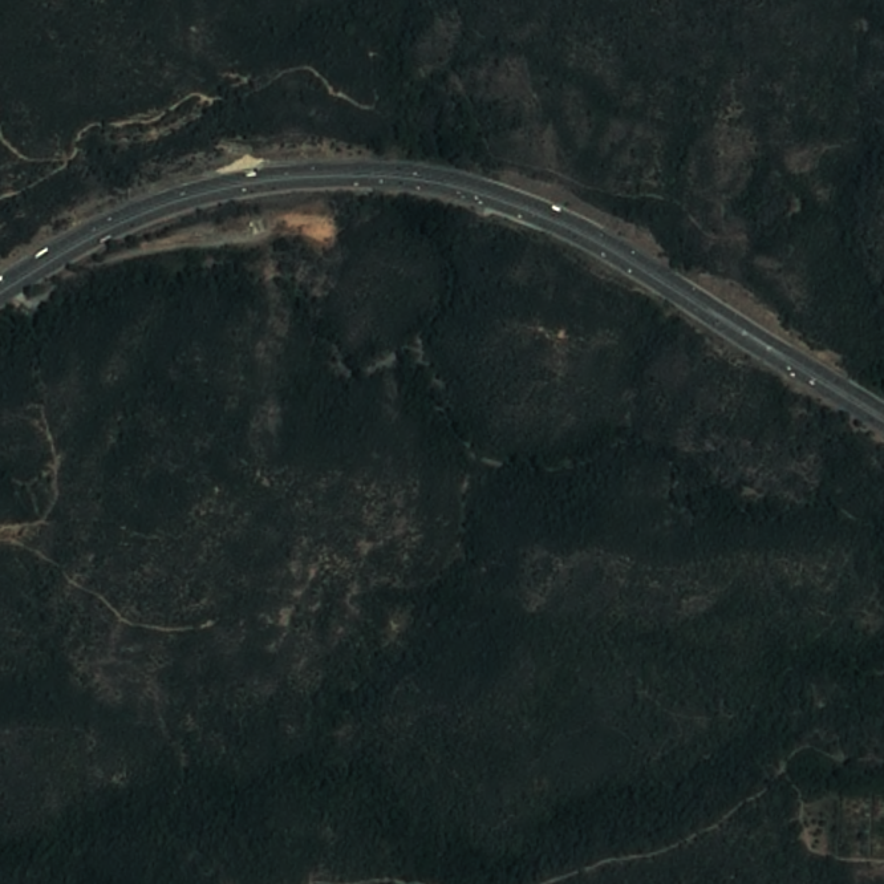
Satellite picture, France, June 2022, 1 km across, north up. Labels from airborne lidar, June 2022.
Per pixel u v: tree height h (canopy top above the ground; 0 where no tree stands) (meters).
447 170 0
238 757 6
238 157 0
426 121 8
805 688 7
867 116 8
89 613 7
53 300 12
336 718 9
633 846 10
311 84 7
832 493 8
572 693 9
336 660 7
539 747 7
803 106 7
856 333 6
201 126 15
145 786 6
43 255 0
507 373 6
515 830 8
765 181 8
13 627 7
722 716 9
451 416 19
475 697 7
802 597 6
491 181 0
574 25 10
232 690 8
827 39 9
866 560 8
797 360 0
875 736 7
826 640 7
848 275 7
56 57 8
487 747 6
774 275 0
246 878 8
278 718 6
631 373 8
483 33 6
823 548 6
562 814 9
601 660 6
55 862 9
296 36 11
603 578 7
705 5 9
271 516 8
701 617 8
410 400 11
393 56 11
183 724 11
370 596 7
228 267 7
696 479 5
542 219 0
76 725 8
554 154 0
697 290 0
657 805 10
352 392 9
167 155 9
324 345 10
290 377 6
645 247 0
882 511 6
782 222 8
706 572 6
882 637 7
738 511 22
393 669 6
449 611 6
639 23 6
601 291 6
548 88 9
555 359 0
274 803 6
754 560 7
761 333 0
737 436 10
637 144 0
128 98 10
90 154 11
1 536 0
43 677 9
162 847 11
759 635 8
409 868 12
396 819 15
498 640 7
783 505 7
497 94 0
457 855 12
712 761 11
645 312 8
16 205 9
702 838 7
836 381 0
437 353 6
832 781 19
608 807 8
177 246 0
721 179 0
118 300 9
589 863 6
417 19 8
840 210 7
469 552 9
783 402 10
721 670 7
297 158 0
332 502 6
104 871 5
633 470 6
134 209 0
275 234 0
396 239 8
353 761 7
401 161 0
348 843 5
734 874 6
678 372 0
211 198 0
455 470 8
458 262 9
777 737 9
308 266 6
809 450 12
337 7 6
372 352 8
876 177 8
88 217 0
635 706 9
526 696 6
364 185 0
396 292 7
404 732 9
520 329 0
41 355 7
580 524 7
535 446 7
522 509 6
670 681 9
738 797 8
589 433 6
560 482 9
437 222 17
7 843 6
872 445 7
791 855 8
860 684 13
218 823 10
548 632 6
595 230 0
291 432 7
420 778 9
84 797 11
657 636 8
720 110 7
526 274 0
